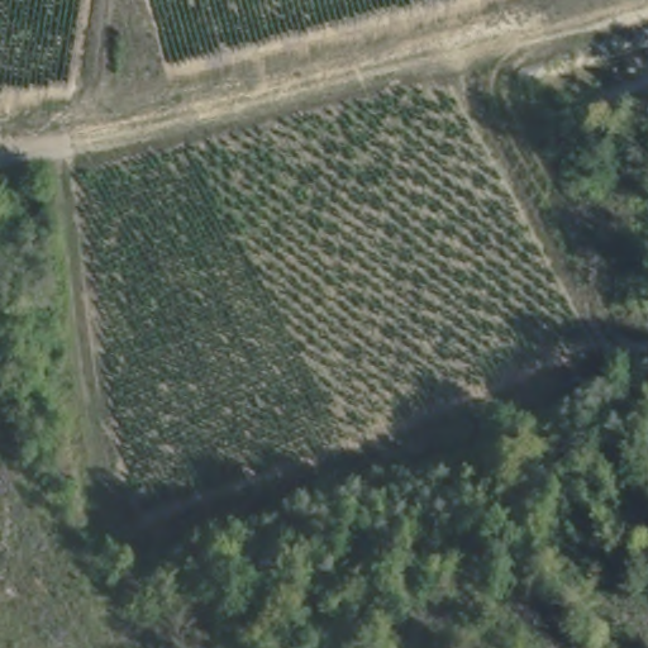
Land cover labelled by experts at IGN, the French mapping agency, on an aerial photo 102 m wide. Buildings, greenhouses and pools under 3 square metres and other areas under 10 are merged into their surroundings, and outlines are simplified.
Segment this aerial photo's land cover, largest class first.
<instances>
[{"label":"vineyard","instance_id":"1","mask_svg":"<svg viewBox=\"0 0 648 648\"><path fill-rule=\"evenodd\" d=\"M628 0H0V137L63 134L76 127L119 122L144 111L177 106L182 101H203L210 96L251 91L261 81H268V76L296 78L304 73L306 66L319 61L324 66L354 63L365 56L382 53L385 48H395L405 41H415L423 35L456 33L473 23L496 25L504 20V15H514L516 10H527L529 15L539 13L547 23H557L570 15L620 5ZM58 172L56 197L61 200L66 223L68 271L73 286L71 316L76 327V357L71 367H66L58 375L56 382L61 400L71 408L76 420L71 451L61 473L71 476V481L84 489V527L91 534L114 537L119 544L127 547L134 539L157 532L159 527L187 532V521L197 511L246 504L248 499L266 496L276 486L296 483L306 476H319L344 463L349 456L352 461L382 468H392L395 463H402L408 458H425L433 468L443 463L448 466V476H443L435 486V491L443 496L448 489H456L461 483L463 466H468L473 456H483L494 446H501L504 435L501 423L496 418L501 405H511L516 410L534 415V420L549 423L552 413L562 405V397L572 395L577 387H590L595 377H602L610 370L618 352L630 354L633 349H648V329L623 324L615 319H602L605 301L600 291L587 294L585 286H567L564 251L544 243V238L537 233L534 220L529 218L509 177L506 162L494 157L491 142L483 137V127L471 114L468 68L453 71L446 66H423L418 71L405 73H382L372 81L332 86L319 94L296 96L278 104H263L238 116L210 119L195 127L165 129L149 142H134L104 152H84L76 154L73 162L51 159Z\"/></svg>","mask_w":648,"mask_h":648},{"label":"coniferous trees","instance_id":"2","mask_svg":"<svg viewBox=\"0 0 648 648\"><path fill-rule=\"evenodd\" d=\"M471 114L483 127V137L491 142L494 157L506 162L509 177L529 218L534 220L537 233L544 238V243L564 251L567 286H585L587 294L600 291L605 301L602 319H615L623 324L648 329V20L635 25H613L600 33L570 35L532 48H519L509 56H486L481 61H473L468 68ZM58 172L51 159H28L20 152L0 147V471L8 466L10 471L23 473L30 481V489L15 483V491L28 506H41L53 516L51 534L58 539V547L71 552V562L89 577L96 595L106 597V625L114 633H124L127 638L139 643V648H648V349H633L630 354L618 352L610 370L602 377H595L590 387H577L572 395L562 397V405L552 413L549 423L534 420V415L516 410L511 405H501L496 418L501 423L504 435L501 446H494L483 456H473L468 466H463L461 483L456 489H448L443 496L435 491V486L443 476H448V466L443 463L433 468L425 458H408L402 463H395L392 468H382L352 461L349 456L344 463L319 476H306L296 483L276 486L266 496L248 499L246 504L197 511L187 521V532L159 527L157 532L134 539L127 547L119 544L114 537L91 534L84 527V489L71 481V476L61 473L71 451L76 420L71 408L61 400L56 382L58 375L66 367H71L76 357V327L71 316L73 286L68 271L66 223L61 200L56 197Z\"/></svg>","mask_w":648,"mask_h":648},{"label":"pervious surface","instance_id":"3","mask_svg":"<svg viewBox=\"0 0 648 648\"><path fill-rule=\"evenodd\" d=\"M648 20V0H628L620 5L570 15L557 23H547L539 13L529 15L527 10H516L514 15H504V20L496 25L473 23L456 33L423 35L415 41H405L395 48H385L382 53L365 56L354 63L324 66L319 61L306 66L304 73L296 78L268 76V81H261L251 91L210 96L203 101H182L177 106L144 111L119 122L76 127L63 134L0 137V147L20 152L28 159H51L73 162L76 154L84 152H104L134 142H149L165 129L195 127L210 119L238 116L263 104H278L296 96L319 94L332 86L372 81L382 73H405L418 71L423 66H446L453 71L468 68L473 61H481L486 56H509L519 48H532L570 35L600 33L613 25H635Z\"/></svg>","mask_w":648,"mask_h":648},{"label":"herbaceous vegetation","instance_id":"4","mask_svg":"<svg viewBox=\"0 0 648 648\"><path fill-rule=\"evenodd\" d=\"M15 483L30 489V481L23 473L10 471L8 466L0 471V648H139V643L127 638L124 633H114L106 625V597L96 595L89 577L71 562V552L58 547V539L51 534L53 516L41 506H28L15 491Z\"/></svg>","mask_w":648,"mask_h":648}]
</instances>
